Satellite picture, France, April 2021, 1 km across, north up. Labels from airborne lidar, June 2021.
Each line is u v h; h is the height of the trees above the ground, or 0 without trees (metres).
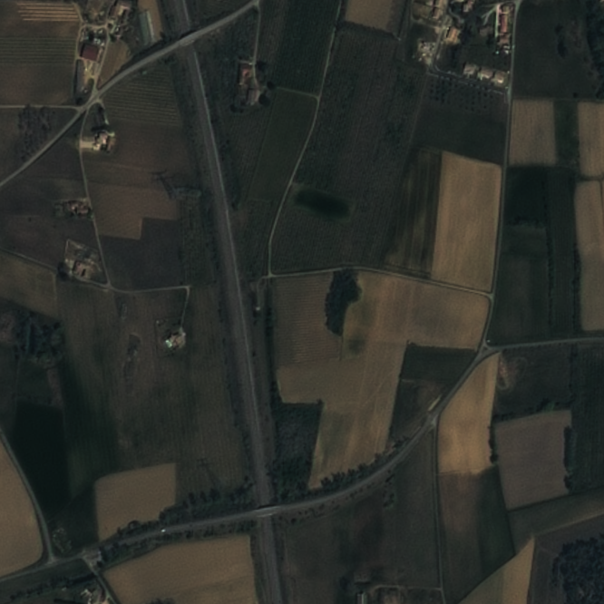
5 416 0
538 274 0
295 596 0
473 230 0
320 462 0
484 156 0
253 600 0
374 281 0
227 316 0
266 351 0
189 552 0
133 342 0
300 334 0
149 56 0
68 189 0
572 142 0
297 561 0
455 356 0
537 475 0
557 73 0
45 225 0
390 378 0
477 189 0
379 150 6
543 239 0
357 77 6
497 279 0
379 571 0
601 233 0
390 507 7
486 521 0
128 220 0
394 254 0
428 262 0
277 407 8
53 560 0
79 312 0
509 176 0
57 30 0
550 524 0
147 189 0
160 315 0
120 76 0
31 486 0
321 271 0
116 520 0
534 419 0
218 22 0
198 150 0
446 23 0
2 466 0
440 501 0
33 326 8
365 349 0
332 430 0
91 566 0
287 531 0
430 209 0
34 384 0
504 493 0
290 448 14
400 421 0
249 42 6
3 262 0
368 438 0
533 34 0
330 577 0
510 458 0
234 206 11
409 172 0
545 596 0
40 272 0
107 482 0
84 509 0
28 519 0
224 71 6
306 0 6
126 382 0
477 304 0
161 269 0
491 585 0
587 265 0
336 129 5
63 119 0
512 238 0
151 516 0
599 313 0
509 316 0
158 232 0
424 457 0
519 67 0
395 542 0
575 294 9
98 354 0
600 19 12
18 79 0
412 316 0
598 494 0
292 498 9
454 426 0
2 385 0
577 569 11
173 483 0
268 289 0
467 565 0
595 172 0
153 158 0
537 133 0
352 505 0
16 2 0
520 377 0
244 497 20
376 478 0
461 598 0
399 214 0
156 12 0
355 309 0
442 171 0
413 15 0
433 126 0
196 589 0
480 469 0
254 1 0
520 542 0
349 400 0
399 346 0
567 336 0
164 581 0
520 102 0
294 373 0
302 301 0
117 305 0
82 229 0
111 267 0
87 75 0
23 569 0
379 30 0
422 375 0
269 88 10
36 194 0
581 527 0
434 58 0
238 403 0
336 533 0
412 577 0
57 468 0
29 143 7
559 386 0
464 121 0
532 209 0
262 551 0
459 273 0
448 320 0
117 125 0
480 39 0
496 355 0
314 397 0
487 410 0
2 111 0
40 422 0
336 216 0
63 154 0
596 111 0
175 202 0
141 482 0
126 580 0
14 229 0
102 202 0
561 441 0
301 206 0
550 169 0
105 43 0
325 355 0
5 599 0
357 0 0
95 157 0
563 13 0
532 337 0
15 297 0
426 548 0
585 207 0
